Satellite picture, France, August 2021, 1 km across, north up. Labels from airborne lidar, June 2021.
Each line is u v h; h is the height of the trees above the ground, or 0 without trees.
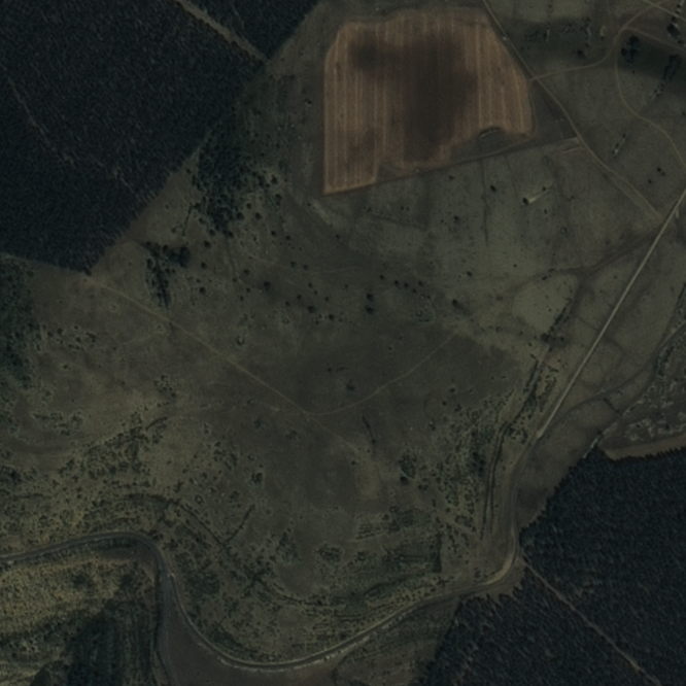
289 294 0
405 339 0
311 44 0
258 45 13
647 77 0
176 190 0
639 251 0
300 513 0
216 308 0
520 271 0
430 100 0
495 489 0
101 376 0
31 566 0
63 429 0
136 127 14
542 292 0
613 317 0
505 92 0
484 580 0
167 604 0
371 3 0
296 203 0
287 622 0
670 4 0
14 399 0
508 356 0
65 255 13
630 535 16
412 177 0
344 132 0
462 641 10
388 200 0
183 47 14
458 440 0
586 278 0
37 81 15
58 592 0
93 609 0
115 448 0
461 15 0
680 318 0
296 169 0
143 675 0
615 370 0
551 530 12
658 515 14
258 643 0
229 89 14
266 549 0
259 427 0
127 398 0
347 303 0
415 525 0
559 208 0
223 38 13
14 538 0
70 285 0
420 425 0
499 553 0
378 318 0
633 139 0
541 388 0
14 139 15
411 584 0
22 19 16
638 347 0
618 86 0
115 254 0
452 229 0
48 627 7
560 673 12
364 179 0
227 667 0
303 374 0
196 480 0
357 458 0
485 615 10
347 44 0
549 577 14
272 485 0
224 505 0
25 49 15
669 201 0
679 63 6
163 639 0
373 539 0
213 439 0
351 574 0
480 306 0
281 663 0
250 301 0
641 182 0
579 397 0
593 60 0
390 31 0
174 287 0
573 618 12
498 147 0
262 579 0
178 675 0
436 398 0
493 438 0
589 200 0
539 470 0
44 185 18
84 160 15
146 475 0
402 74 0
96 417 0
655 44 0
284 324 0
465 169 0
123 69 13
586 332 0
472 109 0
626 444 0
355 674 0
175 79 15
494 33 0
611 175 0
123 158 15
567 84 0
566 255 0
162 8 15
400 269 0
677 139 0
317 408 0
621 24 0
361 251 0
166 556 0
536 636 13
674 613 13
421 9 0
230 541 0
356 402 0
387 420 0
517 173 0
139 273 0
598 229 0
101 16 14
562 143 0
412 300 0
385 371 0
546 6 0
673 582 14
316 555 0
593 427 0
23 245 13
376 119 0
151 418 0
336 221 0
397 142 0
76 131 14
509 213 0
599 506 17
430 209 0
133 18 14
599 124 0
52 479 0
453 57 0
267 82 0
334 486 0
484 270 0
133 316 0
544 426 0
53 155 15
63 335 0
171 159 12
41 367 0
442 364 0
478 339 0
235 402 0
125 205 14
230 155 10
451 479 0
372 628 0
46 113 14
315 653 0
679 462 17
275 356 0
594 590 9
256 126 0
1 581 0
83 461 0
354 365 0
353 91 0
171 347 0
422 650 0
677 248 0
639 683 11
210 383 0
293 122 0
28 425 0
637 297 0
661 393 0
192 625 0
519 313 0
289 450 0
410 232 0
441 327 0
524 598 10
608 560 15
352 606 0
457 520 0
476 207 0
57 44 17
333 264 0
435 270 0
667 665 13
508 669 11
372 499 0
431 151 0
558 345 0
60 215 13
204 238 0
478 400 0
